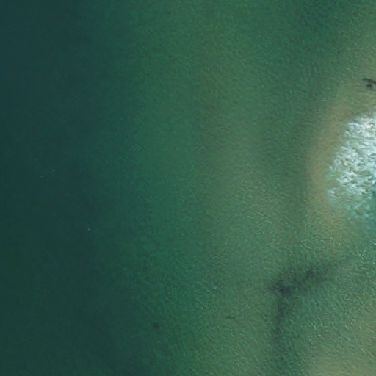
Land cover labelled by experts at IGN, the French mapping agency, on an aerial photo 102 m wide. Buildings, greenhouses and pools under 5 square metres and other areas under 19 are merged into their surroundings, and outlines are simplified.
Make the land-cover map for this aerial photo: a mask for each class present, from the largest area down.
<instances>
[{"label":"water","instance_id":"1","mask_svg":"<svg viewBox=\"0 0 376 376\"><path fill-rule=\"evenodd\" d=\"M0 376H376V0H0Z\"/></svg>","mask_w":376,"mask_h":376}]
</instances>
